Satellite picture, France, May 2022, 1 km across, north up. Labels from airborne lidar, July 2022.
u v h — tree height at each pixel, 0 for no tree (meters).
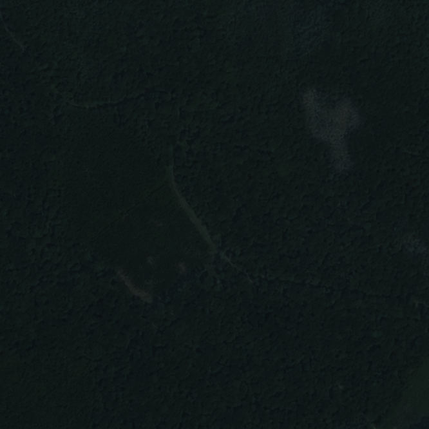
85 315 29
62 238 21
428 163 29
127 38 27
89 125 15
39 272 33
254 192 28
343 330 32
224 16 20
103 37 25
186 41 32
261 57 26
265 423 31
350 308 26
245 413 29
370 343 31
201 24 26
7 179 29
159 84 29
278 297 27
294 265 26
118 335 32
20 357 25
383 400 30
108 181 14
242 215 29
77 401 21
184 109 28
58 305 28
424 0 20
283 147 29
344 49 31
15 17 27
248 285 28
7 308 29
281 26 21
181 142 31
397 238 22
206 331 32
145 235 6
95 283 30
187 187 25
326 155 32
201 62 31
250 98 23
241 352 30
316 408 32
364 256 28
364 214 32
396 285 29
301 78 26
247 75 30
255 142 31
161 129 31
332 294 26
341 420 31
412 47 27
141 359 33
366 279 22
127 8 26
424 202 24
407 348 27
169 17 30
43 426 16
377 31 21
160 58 29
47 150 22
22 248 32
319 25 33
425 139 29
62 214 15
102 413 22
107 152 15
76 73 16
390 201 30
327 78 29
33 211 30
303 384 29
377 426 28
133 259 7
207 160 30
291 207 22
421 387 0
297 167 27
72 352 32
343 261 31
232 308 30
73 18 26
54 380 20
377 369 29
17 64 27
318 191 31
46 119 32
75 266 30
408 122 31
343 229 30
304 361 29
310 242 34
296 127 27
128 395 32
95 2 21
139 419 31
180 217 6
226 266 29
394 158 31
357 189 29
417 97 27
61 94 25
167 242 7
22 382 16
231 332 28
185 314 29
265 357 32
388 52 27
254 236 31
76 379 21
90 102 20
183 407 32
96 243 7
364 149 30
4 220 32
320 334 26
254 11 23
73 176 15
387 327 32
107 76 28
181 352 30
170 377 27
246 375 30
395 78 29
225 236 25
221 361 34
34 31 25
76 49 24
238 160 30
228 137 28
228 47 26
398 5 27
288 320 27
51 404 20
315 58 30
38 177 30
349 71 27
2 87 31
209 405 31
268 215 30
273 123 31
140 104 30
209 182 27
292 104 24
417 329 28
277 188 28
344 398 26
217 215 31
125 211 9
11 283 30
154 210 6
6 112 30
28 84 31
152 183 12
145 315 21
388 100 29
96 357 27
